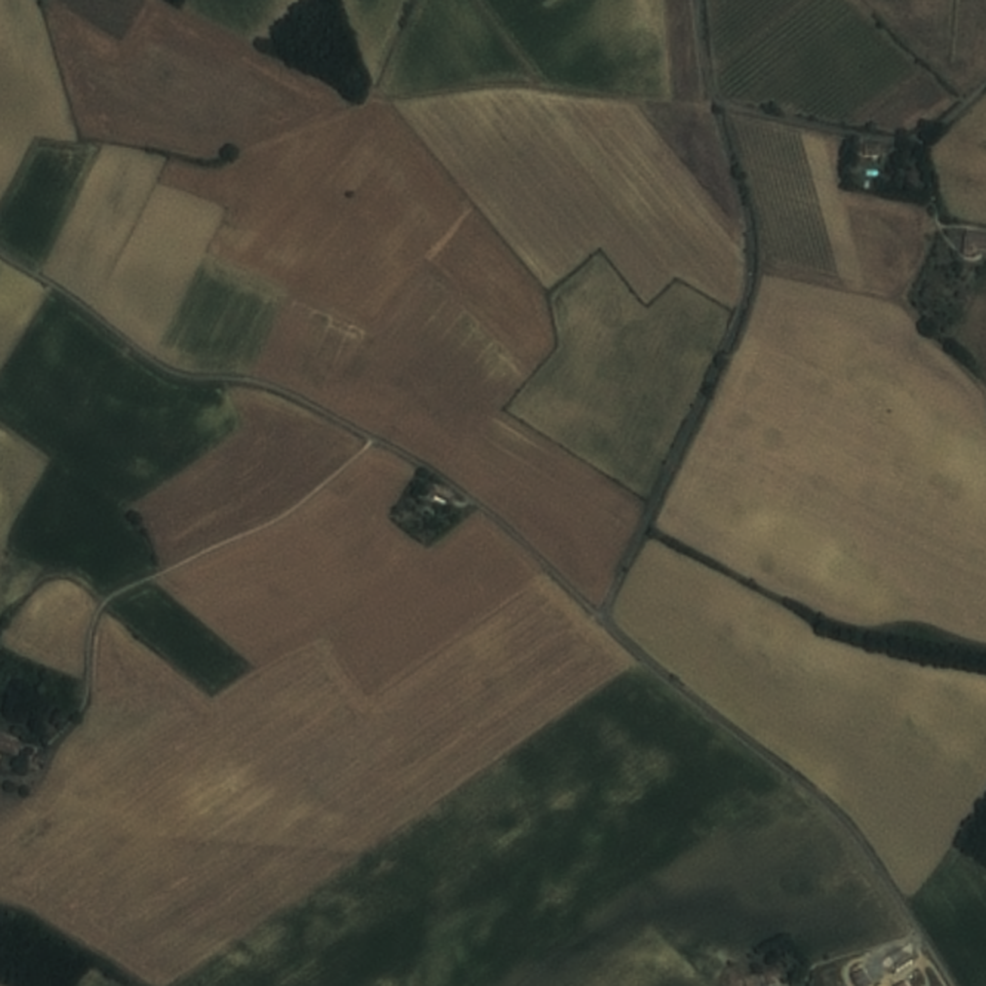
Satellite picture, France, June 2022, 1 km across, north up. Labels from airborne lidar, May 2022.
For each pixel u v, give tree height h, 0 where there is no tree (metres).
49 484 0
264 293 0
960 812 0
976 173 0
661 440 0
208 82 0
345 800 0
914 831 0
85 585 0
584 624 0
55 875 0
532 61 0
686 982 0
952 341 12
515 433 0
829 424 0
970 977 0
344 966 0
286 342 0
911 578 0
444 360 0
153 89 0
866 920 0
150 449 0
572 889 0
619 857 0
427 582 0
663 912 0
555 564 0
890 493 0
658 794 0
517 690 0
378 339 0
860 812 0
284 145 0
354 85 14
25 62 0
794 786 0
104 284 0
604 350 0
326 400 0
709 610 0
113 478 0
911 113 0
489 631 0
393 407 0
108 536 0
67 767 0
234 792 0
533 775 0
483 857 0
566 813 0
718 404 0
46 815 0
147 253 0
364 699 0
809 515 0
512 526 0
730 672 0
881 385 0
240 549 0
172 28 0
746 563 0
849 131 9
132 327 0
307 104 0
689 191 0
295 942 0
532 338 0
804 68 0
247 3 0
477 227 0
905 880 0
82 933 0
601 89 0
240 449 0
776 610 0
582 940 0
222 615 0
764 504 0
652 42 0
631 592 0
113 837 0
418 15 0
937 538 0
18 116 0
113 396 0
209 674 0
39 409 0
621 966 0
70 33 0
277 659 0
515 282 0
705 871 0
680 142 0
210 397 0
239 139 0
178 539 0
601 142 0
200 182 0
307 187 0
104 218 0
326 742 0
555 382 0
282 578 0
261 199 0
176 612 0
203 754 0
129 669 0
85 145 0
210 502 0
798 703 0
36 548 0
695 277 0
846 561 0
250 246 0
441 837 0
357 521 0
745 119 0
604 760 0
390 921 0
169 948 0
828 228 0
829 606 0
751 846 0
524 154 0
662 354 0
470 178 0
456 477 0
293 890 0
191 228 0
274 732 0
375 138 0
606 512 0
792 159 0
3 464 0
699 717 0
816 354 0
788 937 11
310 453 0
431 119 0
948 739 0
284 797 0
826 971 0
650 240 0
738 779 0
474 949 0
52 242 0
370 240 0
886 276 0
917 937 0
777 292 0
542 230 0
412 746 0
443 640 0
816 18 0
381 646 0
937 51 0
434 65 0
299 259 0
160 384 0
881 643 19
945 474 0
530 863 0
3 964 15
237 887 0
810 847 0
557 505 0
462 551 0
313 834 0
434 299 0
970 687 0
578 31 0
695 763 0
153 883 0
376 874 0
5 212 0
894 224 0
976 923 0
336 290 0
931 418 0
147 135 0
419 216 0
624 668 0
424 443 0
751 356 0
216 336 0
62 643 0
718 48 0
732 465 0
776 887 0
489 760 0
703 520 0
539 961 0
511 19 0
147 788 0
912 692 0
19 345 0
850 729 0
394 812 0
